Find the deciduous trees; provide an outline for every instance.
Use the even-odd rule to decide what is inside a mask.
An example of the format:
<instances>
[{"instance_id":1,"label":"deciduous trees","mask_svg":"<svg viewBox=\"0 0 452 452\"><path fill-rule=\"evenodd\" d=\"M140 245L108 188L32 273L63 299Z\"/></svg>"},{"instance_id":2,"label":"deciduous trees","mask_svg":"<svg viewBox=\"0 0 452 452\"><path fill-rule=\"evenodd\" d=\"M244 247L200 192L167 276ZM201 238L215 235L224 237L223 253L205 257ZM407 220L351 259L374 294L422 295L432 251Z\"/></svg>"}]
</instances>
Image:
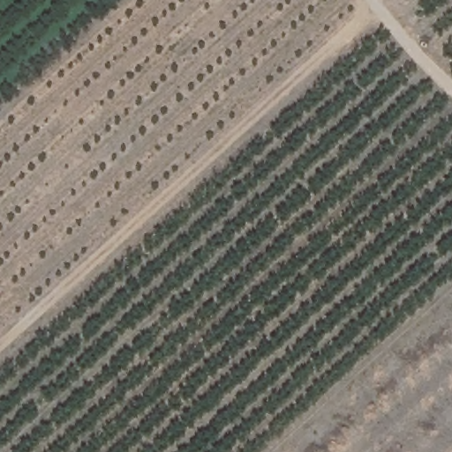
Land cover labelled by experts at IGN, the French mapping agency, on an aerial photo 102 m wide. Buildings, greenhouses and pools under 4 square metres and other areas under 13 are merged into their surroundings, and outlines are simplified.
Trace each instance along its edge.
<instances>
[{"instance_id":1,"label":"deciduous trees","mask_svg":"<svg viewBox=\"0 0 452 452\"><path fill-rule=\"evenodd\" d=\"M441 34L443 30L447 30L450 35L448 41L443 44L443 53L452 62L452 0L420 0L417 16L426 16L433 25L434 32Z\"/></svg>"},{"instance_id":2,"label":"deciduous trees","mask_svg":"<svg viewBox=\"0 0 452 452\"><path fill-rule=\"evenodd\" d=\"M87 290L79 293L78 297L74 297L72 293L65 295L56 304L55 309L49 309L48 313L42 314L41 318L35 321L34 327L28 328L18 339L14 339L0 355L0 452L452 452L452 99L434 85L433 79L411 60L408 53L394 41L387 28L381 25L374 32L355 39L351 44L350 53L337 56L330 69L321 71L320 74L314 72L313 76L305 81L309 88L305 88L304 85L295 88L288 97L291 104L284 106L277 117L267 115L252 125L251 131L247 131L247 138L251 141L240 148L237 155L230 157L224 154L219 157L212 169L207 169L203 173L203 180L196 185L194 191L184 189L178 192L175 200L169 203L173 210L166 214L164 219L159 214L155 215L152 219L155 226L152 222L147 222L141 230L132 233L122 247L118 247L113 254L117 260L113 261L113 265L106 272L97 275Z\"/></svg>"},{"instance_id":3,"label":"deciduous trees","mask_svg":"<svg viewBox=\"0 0 452 452\"><path fill-rule=\"evenodd\" d=\"M18 85L34 85L37 79L41 78L42 72L60 58L62 51L71 49L76 44L79 32L88 30L92 19L104 18L111 9L117 9L120 0L0 0L0 104L12 101L12 97L18 97Z\"/></svg>"}]
</instances>

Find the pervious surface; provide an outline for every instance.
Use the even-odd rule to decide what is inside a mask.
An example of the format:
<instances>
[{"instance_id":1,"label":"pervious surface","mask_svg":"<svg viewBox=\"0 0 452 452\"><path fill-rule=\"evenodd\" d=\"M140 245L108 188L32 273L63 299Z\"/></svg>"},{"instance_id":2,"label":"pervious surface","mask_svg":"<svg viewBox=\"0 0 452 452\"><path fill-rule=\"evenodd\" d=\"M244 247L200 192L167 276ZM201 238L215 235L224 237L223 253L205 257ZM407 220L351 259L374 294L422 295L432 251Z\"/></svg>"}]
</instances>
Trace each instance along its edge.
<instances>
[{"instance_id":1,"label":"pervious surface","mask_svg":"<svg viewBox=\"0 0 452 452\"><path fill-rule=\"evenodd\" d=\"M434 85L452 99L452 74L441 69L431 56L427 56L420 49L418 42L404 32L403 26L395 21L381 0L367 0L371 9L376 12L376 18L380 19L381 25L387 28L394 41L408 53L411 60L433 79Z\"/></svg>"}]
</instances>

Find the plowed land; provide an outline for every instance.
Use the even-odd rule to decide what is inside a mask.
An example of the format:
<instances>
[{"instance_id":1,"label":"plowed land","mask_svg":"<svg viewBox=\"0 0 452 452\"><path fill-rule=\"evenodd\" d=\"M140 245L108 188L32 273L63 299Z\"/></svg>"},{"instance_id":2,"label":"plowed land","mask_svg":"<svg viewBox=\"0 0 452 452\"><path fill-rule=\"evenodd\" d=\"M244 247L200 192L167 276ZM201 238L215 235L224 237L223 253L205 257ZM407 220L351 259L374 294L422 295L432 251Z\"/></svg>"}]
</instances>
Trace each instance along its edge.
<instances>
[{"instance_id":1,"label":"plowed land","mask_svg":"<svg viewBox=\"0 0 452 452\"><path fill-rule=\"evenodd\" d=\"M448 41L450 35L447 30L443 30L441 34L434 32L433 25L426 16L417 16L420 0L381 0L395 21L403 26L404 32L418 42L420 49L427 56L431 56L441 69L452 74L452 62L443 53L443 44Z\"/></svg>"},{"instance_id":2,"label":"plowed land","mask_svg":"<svg viewBox=\"0 0 452 452\"><path fill-rule=\"evenodd\" d=\"M88 30L79 32L76 44L71 49L62 51L60 58L42 72L41 78L37 79L34 85L18 85L18 97L12 97L12 101L0 104L0 355L14 339L18 339L28 328L34 327L35 321L41 318L42 314L48 313L49 309L55 309L56 304L65 295L72 293L74 297L78 297L79 293L87 290L97 275L106 272L113 265L113 261L117 260L113 254L118 247L122 247L132 233L141 230L147 222L152 222L155 226L152 219L155 215L159 214L164 219L166 214L173 210L169 203L175 200L178 192L184 189L194 191L196 185L203 180L203 173L207 169L212 169L219 157L224 154L230 157L237 155L240 148L251 141L247 138L247 131L251 131L252 125L267 115L277 117L284 106L291 104L288 97L295 88L304 85L305 88L309 88L305 81L313 76L314 72L320 74L321 71L330 69L337 56L350 53L351 44L355 39L374 32L381 25L380 19L376 18L376 12L371 9L367 0L120 0L117 9L111 9L104 18L92 19Z\"/></svg>"}]
</instances>

